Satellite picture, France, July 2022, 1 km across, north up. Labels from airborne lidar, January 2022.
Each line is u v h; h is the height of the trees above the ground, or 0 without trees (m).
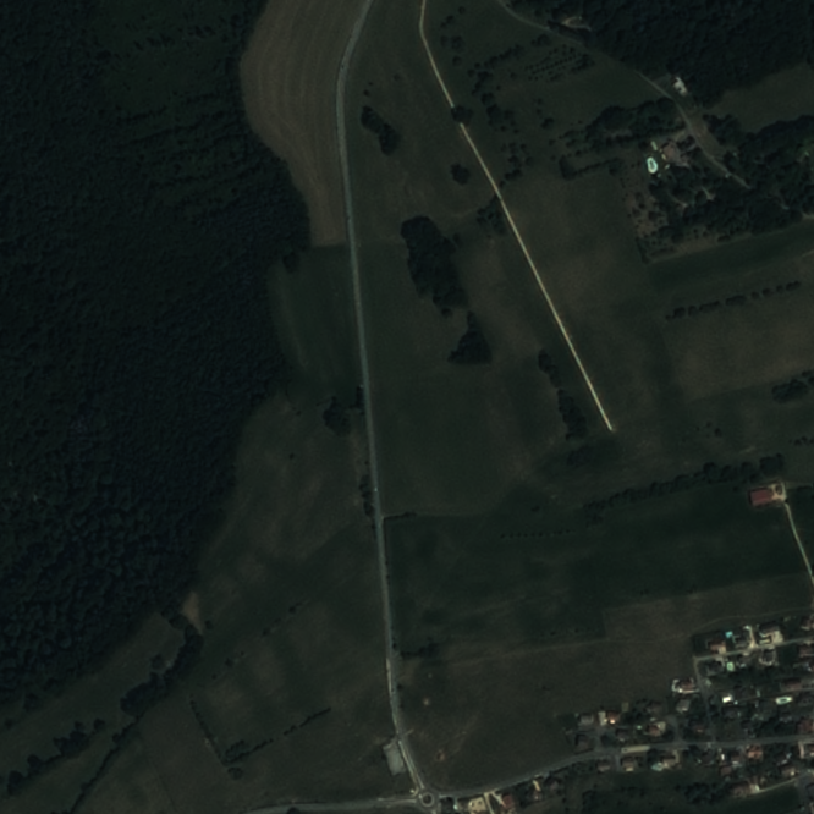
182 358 17
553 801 0
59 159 23
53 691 25
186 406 14
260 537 0
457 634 0
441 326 0
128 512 17
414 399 0
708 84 26
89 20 20
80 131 22
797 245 0
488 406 0
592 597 0
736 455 0
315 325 0
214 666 0
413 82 0
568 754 0
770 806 0
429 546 0
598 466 0
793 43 23
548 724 0
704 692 0
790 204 14
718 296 0
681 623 0
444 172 0
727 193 18
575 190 0
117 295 25
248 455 0
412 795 0
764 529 0
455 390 0
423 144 0
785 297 0
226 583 0
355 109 0
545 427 0
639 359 0
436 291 18
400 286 0
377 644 0
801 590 0
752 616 0
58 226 24
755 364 0
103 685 0
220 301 14
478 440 0
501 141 0
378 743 0
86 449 26
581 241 0
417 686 0
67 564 34
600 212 0
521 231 0
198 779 0
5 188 31
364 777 0
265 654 0
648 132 15
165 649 0
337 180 0
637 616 0
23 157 24
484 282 0
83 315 28
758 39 25
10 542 35
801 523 0
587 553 0
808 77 0
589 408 0
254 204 21
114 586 31
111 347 23
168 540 24
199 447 16
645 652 0
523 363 0
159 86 0
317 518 0
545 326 0
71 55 21
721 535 0
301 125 0
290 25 0
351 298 0
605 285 0
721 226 9
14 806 0
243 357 15
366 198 0
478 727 0
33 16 30
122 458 22
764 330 0
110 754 7
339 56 0
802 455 0
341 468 0
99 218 21
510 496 0
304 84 0
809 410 0
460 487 0
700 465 0
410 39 0
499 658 0
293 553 0
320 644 0
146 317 24
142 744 0
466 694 0
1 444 35
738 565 0
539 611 0
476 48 0
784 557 0
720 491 0
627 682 0
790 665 0
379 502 0
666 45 20
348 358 0
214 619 0
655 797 0
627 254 0
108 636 23
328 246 0
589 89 0
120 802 0
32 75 25
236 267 20
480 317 0
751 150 19
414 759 0
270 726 0
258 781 0
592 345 0
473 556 0
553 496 0
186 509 16
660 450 0
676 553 0
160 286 21
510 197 0
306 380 0
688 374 0
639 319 0
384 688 0
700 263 0
